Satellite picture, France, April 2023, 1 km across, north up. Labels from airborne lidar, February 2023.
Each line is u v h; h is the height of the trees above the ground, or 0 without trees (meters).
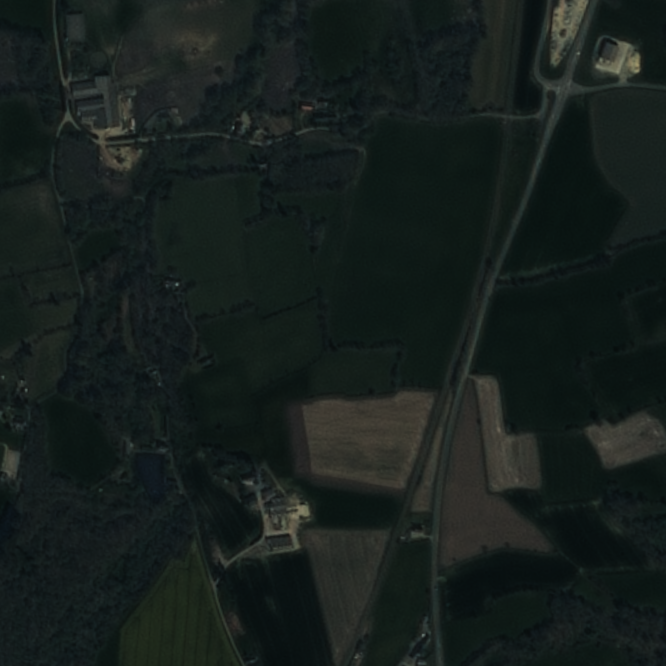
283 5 26
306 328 0
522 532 0
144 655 0
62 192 11
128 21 0
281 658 0
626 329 0
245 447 0
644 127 0
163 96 0
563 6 0
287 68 0
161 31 0
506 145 0
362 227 0
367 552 0
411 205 0
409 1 0
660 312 0
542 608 0
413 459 0
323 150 0
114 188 0
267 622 0
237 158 0
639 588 0
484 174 0
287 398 0
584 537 0
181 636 0
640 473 0
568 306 0
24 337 0
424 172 0
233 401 0
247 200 0
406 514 0
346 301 0
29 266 0
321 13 0
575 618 12
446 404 0
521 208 0
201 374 0
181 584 0
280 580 0
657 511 0
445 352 0
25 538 14
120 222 16
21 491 13
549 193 0
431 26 0
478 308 0
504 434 0
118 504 12
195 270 0
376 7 0
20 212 0
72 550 7
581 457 0
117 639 0
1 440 0
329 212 0
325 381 0
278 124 0
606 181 0
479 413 0
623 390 0
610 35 0
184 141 14
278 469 0
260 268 0
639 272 0
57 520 9
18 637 14
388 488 0
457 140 0
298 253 0
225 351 0
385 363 0
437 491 0
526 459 0
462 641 0
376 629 0
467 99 8
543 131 0
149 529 9
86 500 10
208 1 0
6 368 0
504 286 6
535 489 0
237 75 8
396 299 0
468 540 0
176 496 11
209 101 15
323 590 0
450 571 0
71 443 0
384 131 0
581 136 0
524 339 0
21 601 12
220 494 0
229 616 0
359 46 0
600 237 0
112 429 12
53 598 15
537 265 0
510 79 0
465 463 0
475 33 17
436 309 0
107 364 19
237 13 0
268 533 0
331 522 0
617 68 0
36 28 0
